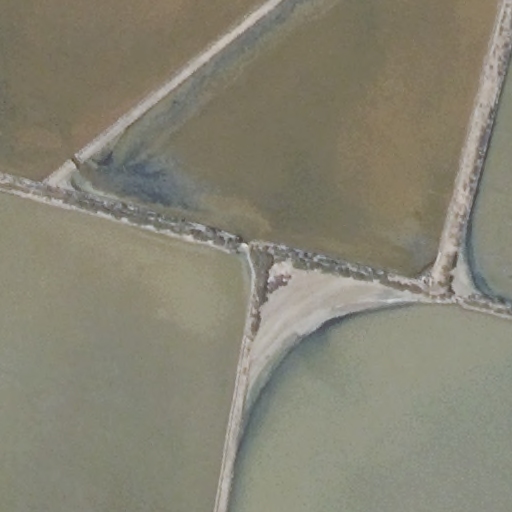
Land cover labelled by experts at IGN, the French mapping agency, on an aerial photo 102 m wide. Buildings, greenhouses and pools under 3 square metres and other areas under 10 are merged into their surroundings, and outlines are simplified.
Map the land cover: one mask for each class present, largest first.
<instances>
[{"label":"water","instance_id":"1","mask_svg":"<svg viewBox=\"0 0 512 512\"><path fill-rule=\"evenodd\" d=\"M266 0H0V172L38 182L52 176L66 162H72L74 168L94 188L118 196H132L148 204L182 208L194 214V222H198L196 230L208 228L210 232H222L224 238H236L240 244H246L252 240H270L286 246H298L302 250L310 248L316 254H326V262L334 258V262L344 260L356 266H378L380 270H388L390 274L420 278L422 274H428L434 268L442 242L448 206L454 198L460 158L470 128V118L474 112V102L480 90L484 58L488 54V44L492 38L500 0H282L272 12L262 16L244 34L232 40L214 58L202 64L192 76L178 84L170 94L158 100L154 106H150L132 124H128L102 152L86 160H80L76 152L88 146L104 130H108L118 118L136 108L148 94L158 90L170 78H174L192 58L200 56L212 42L230 32L234 26H238L250 12L262 6ZM500 86L494 108L500 110V114L474 220V256L478 272L486 278L492 292L508 294L512 290V56L504 64H500L498 70ZM242 260L246 258L242 252L238 256L232 250L230 254H224L212 250L210 246L190 244L186 240L154 234L150 230L108 222L104 218L86 216L74 210H64L30 198L0 192V512H214L222 470V450L236 386V366L240 360V344L248 304V288L242 278ZM226 512H512V316L496 318L492 314L466 310L458 302H396L330 318L322 322L316 330L298 336L288 348H282L258 376L252 388L250 406L242 412Z\"/></svg>","mask_w":512,"mask_h":512},{"label":"pervious surface","instance_id":"2","mask_svg":"<svg viewBox=\"0 0 512 512\"><path fill-rule=\"evenodd\" d=\"M282 0H266L262 6L250 12L238 26H234L230 32L212 42L200 56L192 58L174 78H170L158 90L148 94L136 108L118 118L108 130H104L88 146L76 152L80 160H86L102 152L128 124H132L150 106H154L158 100L170 94L178 84L192 76L202 64L214 58L232 40L244 34L262 16L272 12ZM512 56V0H500L492 38L488 44V54L484 58L480 90L474 102V112L470 118V128L460 158L454 198L448 206L442 242L434 268L428 274H422L420 278L390 274L388 278L394 282L420 286L418 294H412L388 288L378 280H356L338 274H326L320 270H300L292 266V262H280L270 268L268 282L276 280L280 274H288L290 282L278 288L276 292L268 294V302L262 304L256 292V266L246 244H240L242 252L246 258L242 260V278L248 288V304L240 344V360L236 366V386L222 450V470L214 512H226L242 412L250 406L252 388L258 376L282 348H288L298 336L316 330L322 322L330 318L396 302H458L466 310L492 314L496 318L512 316V290L508 294L492 292L486 278L478 272L474 256V220L500 114V110L494 108L500 86L498 70L500 64H504ZM74 168L72 162H66L52 176L38 182L0 172V192L30 198L64 210H74L86 216L104 218L108 222L150 230L154 234L186 240L190 244L210 246L212 250L224 254H230L232 250L230 246L216 244L214 240H198L190 234H178L150 224H138L128 218H118L106 212L80 208L64 200L44 196L42 192L46 186L68 190V180Z\"/></svg>","mask_w":512,"mask_h":512},{"label":"brushwood","instance_id":"3","mask_svg":"<svg viewBox=\"0 0 512 512\"><path fill-rule=\"evenodd\" d=\"M68 190L46 186L42 192L44 196L64 200L80 208L106 212L118 218H128L138 224H150L178 234H190L198 240H214L216 244L230 246L232 250L238 256L242 252L240 244L236 238H224L222 232H210L208 228L196 230L198 222H194V214L182 208L148 204L132 196H118L94 188L74 168L68 180ZM246 244L256 266V292L262 304L268 302V294L276 292L278 288L290 282L288 274H280L276 280L268 282L270 268L280 262H292V266L300 270H320L326 274H338L356 280H378L388 288L412 294H418L420 286L394 282L388 278L390 274L388 270H380L378 266H356L344 260L334 262V258L326 262V254H316L310 248L302 250L298 246H286L270 240H252Z\"/></svg>","mask_w":512,"mask_h":512}]
</instances>
